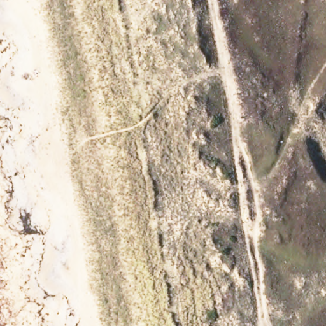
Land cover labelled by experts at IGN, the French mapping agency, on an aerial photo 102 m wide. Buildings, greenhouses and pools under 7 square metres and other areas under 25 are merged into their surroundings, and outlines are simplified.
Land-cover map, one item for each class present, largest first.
<instances>
[{"label":"bare soil","instance_id":"1","mask_svg":"<svg viewBox=\"0 0 326 326\"><path fill-rule=\"evenodd\" d=\"M204 15L205 23L211 24L208 0H0V326H257V303L242 228L238 183H230L218 166L210 163L211 158L216 157L224 160L227 166L234 163L232 125L219 65L209 66L199 48L196 15ZM289 108L297 113L304 97L299 94L298 84H290ZM306 130L290 131L287 139L279 135L276 140L275 155L279 158L274 168L269 174L257 180L264 196V202L261 204L264 222L278 220L275 211L267 208L265 201L269 197L278 199L280 192L287 185L288 162L292 158L294 141L306 139L307 152L313 167L316 168L321 181L326 183V93L318 102L315 115L307 118L304 125ZM244 186L247 188L248 215L250 220H255V200L250 177L243 157H239Z\"/></svg>","mask_w":326,"mask_h":326},{"label":"herbaceous vegetation","instance_id":"2","mask_svg":"<svg viewBox=\"0 0 326 326\"><path fill-rule=\"evenodd\" d=\"M220 19L227 34L228 51L239 88L238 98L241 99V136L247 144L257 180L269 174L274 168L279 158L275 155L276 140L279 135L287 139L290 131L295 124L297 113L289 108L290 84H298L299 94L304 97L309 83L315 79L318 70L326 61V0H218ZM287 185L280 192L278 199L269 197L265 201L267 208L275 211L278 220L264 222L265 230L259 237V246L261 259L265 265L267 313L273 326H326V183L321 181L316 168L313 167L307 152L306 139L294 141L292 158L288 162Z\"/></svg>","mask_w":326,"mask_h":326},{"label":"pervious surface","instance_id":"3","mask_svg":"<svg viewBox=\"0 0 326 326\"><path fill-rule=\"evenodd\" d=\"M211 24L219 65L232 125L234 163L238 183L242 228L257 303V326H273L267 313L265 265L261 259L259 246V237L265 230L264 222L261 204L264 202V196L257 180L247 144L241 136V99L238 98L239 88L228 51L227 34L220 19L218 0H208ZM239 157H243L250 177L255 200V220H250L248 215L247 188L244 186ZM326 93V61L318 70L315 79L309 83L304 97L297 113L295 124L290 131L306 130L304 125L307 118L315 115L318 102Z\"/></svg>","mask_w":326,"mask_h":326},{"label":"brushwood","instance_id":"4","mask_svg":"<svg viewBox=\"0 0 326 326\"><path fill-rule=\"evenodd\" d=\"M199 48L209 66L219 65L211 24L205 23L204 15H196ZM210 163L218 166L230 183H238L234 163L227 166L224 160L216 157L211 158Z\"/></svg>","mask_w":326,"mask_h":326}]
</instances>
